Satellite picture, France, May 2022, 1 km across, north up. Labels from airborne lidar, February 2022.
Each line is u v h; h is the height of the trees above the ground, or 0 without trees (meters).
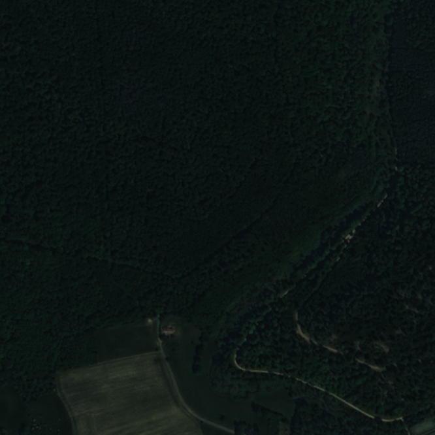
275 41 28
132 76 26
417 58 22
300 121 28
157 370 0
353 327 9
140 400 0
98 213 25
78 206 31
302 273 17
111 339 0
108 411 0
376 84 0
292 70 30
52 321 24
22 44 31
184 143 32
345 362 32
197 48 28
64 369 18
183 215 25
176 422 0
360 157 27
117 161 29
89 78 28
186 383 0
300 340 33
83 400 0
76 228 31
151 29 26
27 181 28
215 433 0
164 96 28
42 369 24
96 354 15
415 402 30
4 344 33
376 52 21
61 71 31
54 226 30
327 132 39
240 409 0
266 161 22
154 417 0
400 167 29
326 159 26
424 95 18
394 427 10
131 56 29
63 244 30
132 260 23
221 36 32
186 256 19
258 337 7
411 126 22
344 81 30
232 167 29
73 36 29
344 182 21
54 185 31
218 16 30
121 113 29
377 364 31
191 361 0
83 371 0
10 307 21
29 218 32
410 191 30
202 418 0
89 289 26
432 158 22
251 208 19
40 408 0
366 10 30
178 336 0
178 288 24
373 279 15
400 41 23
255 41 23
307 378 25
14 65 31
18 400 0
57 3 25
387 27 22
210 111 28
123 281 19
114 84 28
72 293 27
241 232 27
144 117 31
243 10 31
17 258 31
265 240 23
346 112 31
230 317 7
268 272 23
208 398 0
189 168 28
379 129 17
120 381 0
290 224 20
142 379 0
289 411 0
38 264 29
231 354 27
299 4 29
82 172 30
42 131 33
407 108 16
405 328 9
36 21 30
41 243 29
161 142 31
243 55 32
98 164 29
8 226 30
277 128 27
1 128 30
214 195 31
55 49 32
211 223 21
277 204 22
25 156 31
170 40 27
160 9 28
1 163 29
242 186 21
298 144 25
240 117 30
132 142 29
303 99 32
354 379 30
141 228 29
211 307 21
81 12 27
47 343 22
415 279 27
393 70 21
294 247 23
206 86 31
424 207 33
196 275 26
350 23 34
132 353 0
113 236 27
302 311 10
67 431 0
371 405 23
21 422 0
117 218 31
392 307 30
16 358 28
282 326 33
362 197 25
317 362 27
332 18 32
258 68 30
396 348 12
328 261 32
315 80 32
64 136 32
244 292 20
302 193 21
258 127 27
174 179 29
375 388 18
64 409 0
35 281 28
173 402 0
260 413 21
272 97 29
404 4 23
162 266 26
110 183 28
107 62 29
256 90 28
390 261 35
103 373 0
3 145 28
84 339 21
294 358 31
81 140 31
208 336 12
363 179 21
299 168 22
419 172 31
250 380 22
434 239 32
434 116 20
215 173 29
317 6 36
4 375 28
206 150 30
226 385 21
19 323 29
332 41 33
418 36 27
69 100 31
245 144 28
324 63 33
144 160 29
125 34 24
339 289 8
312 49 28
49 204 31
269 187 21
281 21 29
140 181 28
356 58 29
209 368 0
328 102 29
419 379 28
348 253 6
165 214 29
